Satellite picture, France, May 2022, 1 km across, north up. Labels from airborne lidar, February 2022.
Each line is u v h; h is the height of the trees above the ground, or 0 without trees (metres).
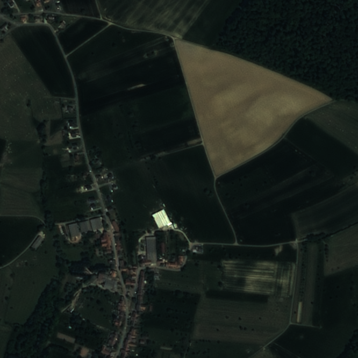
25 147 0
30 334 26
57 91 0
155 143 0
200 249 0
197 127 0
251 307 0
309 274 0
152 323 0
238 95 0
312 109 0
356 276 0
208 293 0
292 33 31
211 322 0
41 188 6
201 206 0
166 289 0
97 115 0
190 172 0
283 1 31
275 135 0
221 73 0
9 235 0
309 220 0
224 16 0
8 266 0
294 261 0
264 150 0
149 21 0
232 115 0
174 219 0
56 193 0
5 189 0
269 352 0
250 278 0
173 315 0
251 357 0
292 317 0
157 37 0
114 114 0
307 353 0
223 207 0
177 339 0
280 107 0
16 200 0
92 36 0
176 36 0
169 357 0
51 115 0
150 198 0
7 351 9
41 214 0
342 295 0
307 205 0
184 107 0
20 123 0
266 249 0
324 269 0
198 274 0
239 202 0
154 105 0
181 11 0
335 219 0
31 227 0
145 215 0
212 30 0
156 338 0
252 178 0
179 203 0
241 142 0
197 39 0
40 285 0
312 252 0
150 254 0
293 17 33
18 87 0
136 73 0
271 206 0
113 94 0
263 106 0
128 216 0
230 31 25
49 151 0
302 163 0
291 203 0
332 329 0
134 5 0
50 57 0
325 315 0
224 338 0
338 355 0
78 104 0
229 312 0
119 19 0
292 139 0
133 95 0
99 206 0
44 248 0
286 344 0
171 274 0
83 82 0
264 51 27
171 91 0
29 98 0
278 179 0
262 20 33
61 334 0
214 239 0
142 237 0
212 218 0
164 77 0
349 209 0
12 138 0
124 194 0
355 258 0
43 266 0
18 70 0
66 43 0
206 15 0
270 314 0
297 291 0
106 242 0
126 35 0
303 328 0
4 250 0
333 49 32
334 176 0
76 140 0
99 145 0
